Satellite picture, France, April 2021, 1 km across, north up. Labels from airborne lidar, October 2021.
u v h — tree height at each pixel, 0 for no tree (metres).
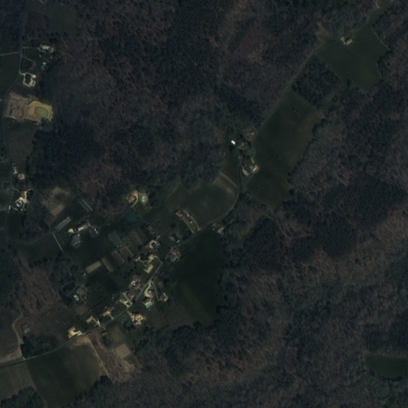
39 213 18
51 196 0
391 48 14
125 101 14
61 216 0
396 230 21
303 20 10
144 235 0
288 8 22
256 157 0
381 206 17
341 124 9
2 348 0
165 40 11
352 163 23
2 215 0
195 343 27
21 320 0
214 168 20
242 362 25
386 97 19
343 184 9
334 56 0
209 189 0
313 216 17
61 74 13
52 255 0
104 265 0
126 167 12
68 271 22
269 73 10
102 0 16
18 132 0
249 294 14
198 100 13
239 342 22
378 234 15
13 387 0
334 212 13
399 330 17
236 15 22
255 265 18
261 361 16
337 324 16
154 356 16
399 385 20
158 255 0
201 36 16
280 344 18
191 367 18
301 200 21
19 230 0
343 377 13
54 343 0
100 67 17
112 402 24
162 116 9
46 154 9
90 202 17
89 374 0
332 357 23
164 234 0
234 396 16
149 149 26
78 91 16
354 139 16
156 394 20
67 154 0
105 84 19
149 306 0
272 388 15
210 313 0
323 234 23
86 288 7
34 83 0
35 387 0
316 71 19
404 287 19
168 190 22
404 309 18
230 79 9
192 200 0
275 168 0
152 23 8
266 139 0
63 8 0
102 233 0
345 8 15
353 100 14
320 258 12
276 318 20
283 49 8
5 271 22
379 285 23
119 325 0
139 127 9
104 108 13
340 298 27
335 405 16
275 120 0
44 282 0
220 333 26
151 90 17
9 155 0
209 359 13
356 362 21
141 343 9
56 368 0
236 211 15
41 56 10
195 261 0
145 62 18
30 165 14
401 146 18
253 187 0
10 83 0
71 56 11
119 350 0
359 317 14
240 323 24
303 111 0
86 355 0
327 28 17
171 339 14
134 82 18
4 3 10
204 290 0
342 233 23
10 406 20
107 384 29
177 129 18
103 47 20
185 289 0
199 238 0
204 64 22
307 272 17
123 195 16
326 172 12
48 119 0
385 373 0
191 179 13
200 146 17
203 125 21
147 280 0
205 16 25
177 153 26
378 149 15
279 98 13
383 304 21
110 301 0
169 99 19
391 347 19
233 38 10
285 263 24
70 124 11
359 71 0
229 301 18
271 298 15
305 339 12
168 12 17
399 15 12
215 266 0
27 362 0
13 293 29
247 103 17
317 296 32
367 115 18
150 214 0
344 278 23
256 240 18
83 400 26
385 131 18
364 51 0
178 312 0
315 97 18
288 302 25
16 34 9
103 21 7
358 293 23
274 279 18
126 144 16
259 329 25
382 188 15
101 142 9
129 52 19
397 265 19
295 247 20
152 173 10
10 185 10
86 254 0
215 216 0
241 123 19
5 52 11
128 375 0
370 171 11
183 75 20
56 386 0
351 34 16
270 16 21
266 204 0
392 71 10
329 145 13
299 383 12
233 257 13
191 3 22
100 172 18
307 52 8
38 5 0
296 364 11
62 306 0
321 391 16
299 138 0
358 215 19
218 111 13
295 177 17
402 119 11
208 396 22
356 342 24
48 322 0
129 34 12
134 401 18
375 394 22
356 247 23
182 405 32
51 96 19
